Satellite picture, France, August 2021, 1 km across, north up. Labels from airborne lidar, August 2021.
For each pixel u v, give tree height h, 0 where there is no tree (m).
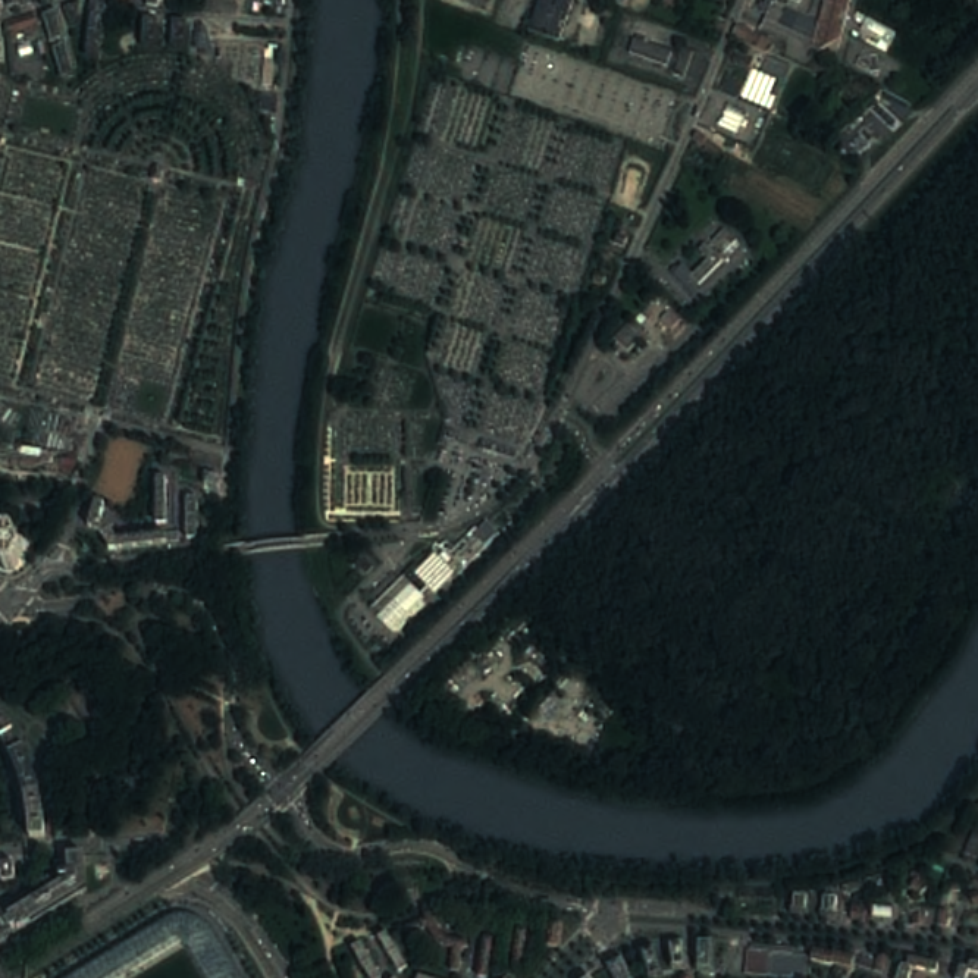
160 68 0
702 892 11
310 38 19
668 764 24
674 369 17
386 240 13
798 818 0
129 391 0
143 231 8
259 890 16
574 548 22
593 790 11
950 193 30
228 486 7
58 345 0
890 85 8
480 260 0
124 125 11
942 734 0
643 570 35
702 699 32
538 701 18
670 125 0
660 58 0
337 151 0
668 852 0
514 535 17
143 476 10
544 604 18
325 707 0
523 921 25
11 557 0
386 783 0
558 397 16
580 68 0
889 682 25
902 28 10
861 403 29
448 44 0
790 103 0
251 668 26
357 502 0
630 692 17
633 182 0
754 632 33
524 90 0
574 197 0
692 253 12
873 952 15
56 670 23
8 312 0
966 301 26
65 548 0
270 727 0
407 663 0
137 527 0
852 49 0
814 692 24
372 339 0
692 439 30
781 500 30
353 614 0
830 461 34
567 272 0
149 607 15
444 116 0
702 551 33
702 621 32
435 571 0
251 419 16
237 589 19
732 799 9
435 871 10
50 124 0
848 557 33
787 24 0
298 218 0
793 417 30
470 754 11
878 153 0
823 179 0
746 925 16
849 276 28
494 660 0
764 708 25
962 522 25
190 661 24
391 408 0
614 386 0
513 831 0
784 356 29
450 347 0
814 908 0
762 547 30
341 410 0
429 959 28
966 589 25
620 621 33
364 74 0
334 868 17
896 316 35
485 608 0
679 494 24
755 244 16
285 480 0
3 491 21
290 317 0
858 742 22
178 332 0
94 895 0
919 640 30
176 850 21
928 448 24
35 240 0
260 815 0
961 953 12
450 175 0
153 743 28
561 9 0
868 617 32
